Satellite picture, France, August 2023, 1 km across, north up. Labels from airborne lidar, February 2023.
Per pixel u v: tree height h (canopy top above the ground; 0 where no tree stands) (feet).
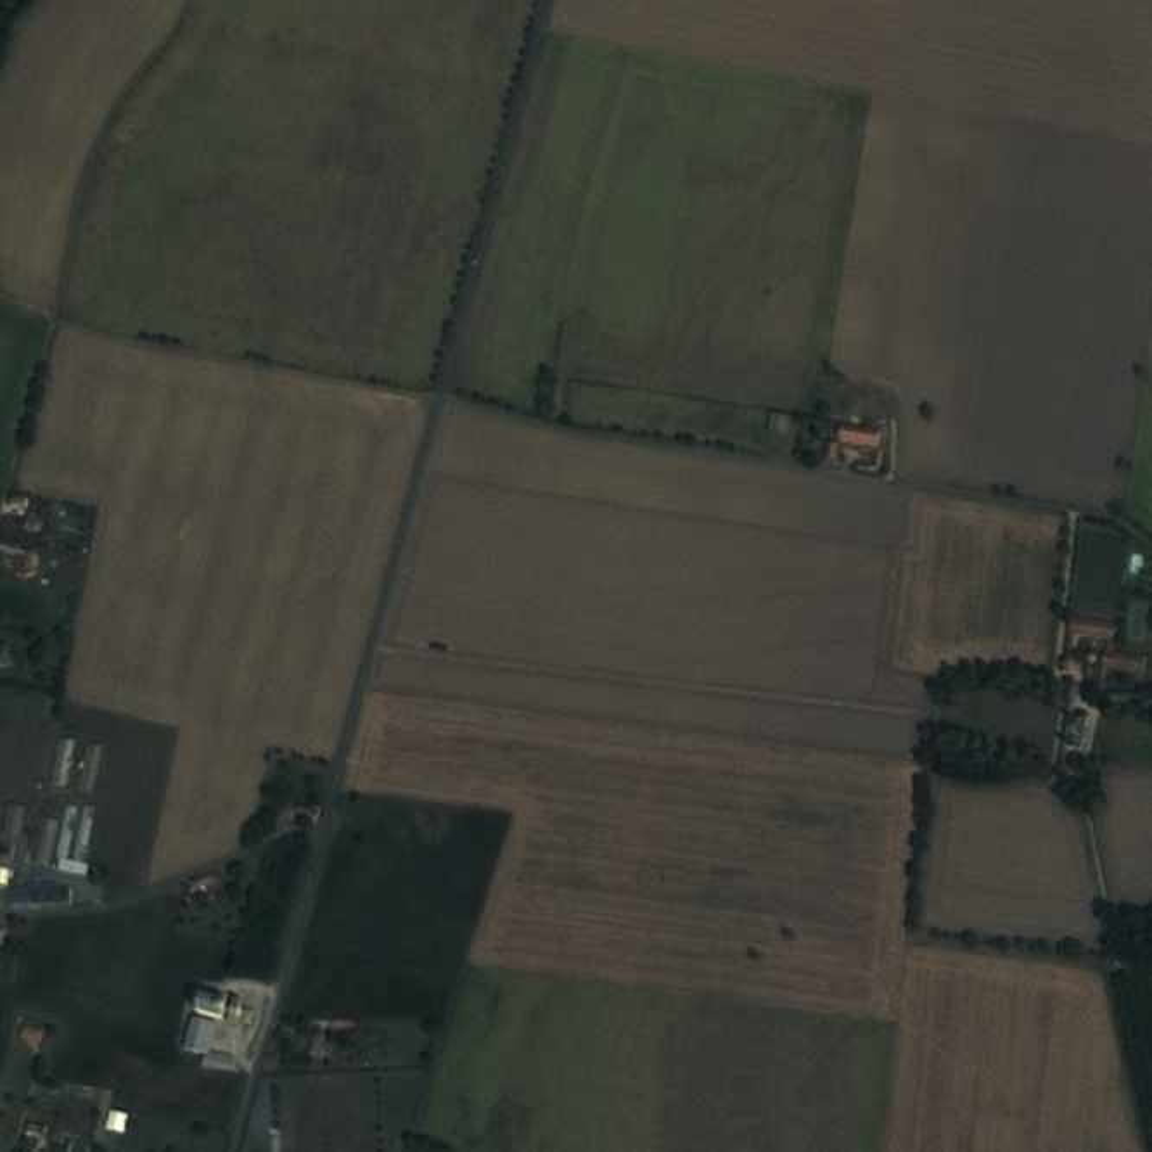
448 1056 0
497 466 0
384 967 0
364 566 0
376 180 0
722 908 0
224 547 0
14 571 0
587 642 0
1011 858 0
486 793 0
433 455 0
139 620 0
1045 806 0
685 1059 0
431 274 0
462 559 0
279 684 0
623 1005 0
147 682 0
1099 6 0
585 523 0
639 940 0
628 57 0
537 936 0
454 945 0
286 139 0
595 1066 0
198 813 0
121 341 0
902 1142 0
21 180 0
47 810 0
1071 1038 0
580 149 0
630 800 0
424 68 0
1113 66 0
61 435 0
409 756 0
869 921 0
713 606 0
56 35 0
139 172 0
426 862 0
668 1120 0
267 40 0
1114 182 0
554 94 0
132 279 0
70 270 0
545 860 0
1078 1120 0
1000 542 0
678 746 0
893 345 0
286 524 0
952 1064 0
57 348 0
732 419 0
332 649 0
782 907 0
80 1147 0
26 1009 0
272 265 0
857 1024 0
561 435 0
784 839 0
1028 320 0
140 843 0
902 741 0
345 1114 0
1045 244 0
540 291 0
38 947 0
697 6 0
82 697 0
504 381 0
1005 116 0
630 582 0
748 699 0
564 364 0
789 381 0
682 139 0
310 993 0
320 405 0
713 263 0
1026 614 0
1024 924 0
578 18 0
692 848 0
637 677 0
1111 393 0
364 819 0
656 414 0
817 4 0
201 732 0
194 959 0
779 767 0
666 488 0
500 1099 0
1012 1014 0
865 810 0
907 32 0
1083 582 0
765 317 0
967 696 75
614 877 0
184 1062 0
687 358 0
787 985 0
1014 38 0
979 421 0
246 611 0
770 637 0
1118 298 0
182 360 0
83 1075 0
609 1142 0
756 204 0
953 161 0
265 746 0
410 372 0
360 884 0
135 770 0
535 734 0
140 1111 0
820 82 0
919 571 0
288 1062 33
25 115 0
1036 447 0
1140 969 53
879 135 0
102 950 0
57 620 0
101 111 0
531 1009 0
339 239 0
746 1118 0
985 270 0
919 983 0
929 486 0
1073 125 0
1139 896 0
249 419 0
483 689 0
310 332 0
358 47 0
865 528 0
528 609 0
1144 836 0
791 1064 0
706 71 0
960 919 0
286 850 36
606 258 0
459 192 0
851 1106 0
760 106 0
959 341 0
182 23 0
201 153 0
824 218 0
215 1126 0
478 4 0
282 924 29
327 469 0
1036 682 78
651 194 0
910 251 0
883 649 0
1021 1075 0
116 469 0
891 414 0
